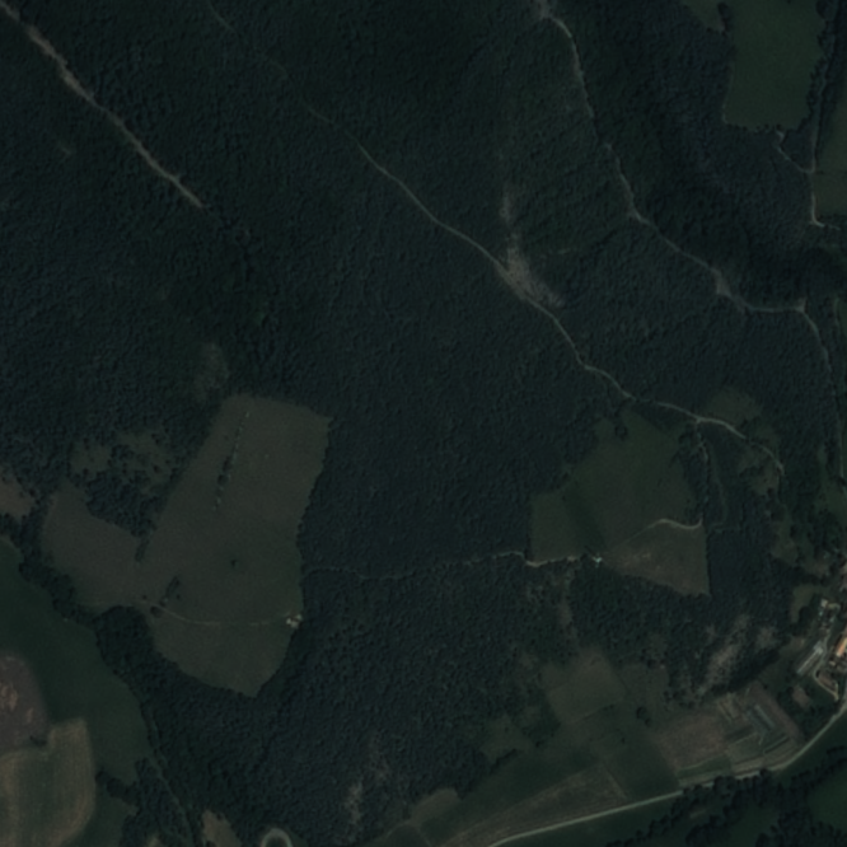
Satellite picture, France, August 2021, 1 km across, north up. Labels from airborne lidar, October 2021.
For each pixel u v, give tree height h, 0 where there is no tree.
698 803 14
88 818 0
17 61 14
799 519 8
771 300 12
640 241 11
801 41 0
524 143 8
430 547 12
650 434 0
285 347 18
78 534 0
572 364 9
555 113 9
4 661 0
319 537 9
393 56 22
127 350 10
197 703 12
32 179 9
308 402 10
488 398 11
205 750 11
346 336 9
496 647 13
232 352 15
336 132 12
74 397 10
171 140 22
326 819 8
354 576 10
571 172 8
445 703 14
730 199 12
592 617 7
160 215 20
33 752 0
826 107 13
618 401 10
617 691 0
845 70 17
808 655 0
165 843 7
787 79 0
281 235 19
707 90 12
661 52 13
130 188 21
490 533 9
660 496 0
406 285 10
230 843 0
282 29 16
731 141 14
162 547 0
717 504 8
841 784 0
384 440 10
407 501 10
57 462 9
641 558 0
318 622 11
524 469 10
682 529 0
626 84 23
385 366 12
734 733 0
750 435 8
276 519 0
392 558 12
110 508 14
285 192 17
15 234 18
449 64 18
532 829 0
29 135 13
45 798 0
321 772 7
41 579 16
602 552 0
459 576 9
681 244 11
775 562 10
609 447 0
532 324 9
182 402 8
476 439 13
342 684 13
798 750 0
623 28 23
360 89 20
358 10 15
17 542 11
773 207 6
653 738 0
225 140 13
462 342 10
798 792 22
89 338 10
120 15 24
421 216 6
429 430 13
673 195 19
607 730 0
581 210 12
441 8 16
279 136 13
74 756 0
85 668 0
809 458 13
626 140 19
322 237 16
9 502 0
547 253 7
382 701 12
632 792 0
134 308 7
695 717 0
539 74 15
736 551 10
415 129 15
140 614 10
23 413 11
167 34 20
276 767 9
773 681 0
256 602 0
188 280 13
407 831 0
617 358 13
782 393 12
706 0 0
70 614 13
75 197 15
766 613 8
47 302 12
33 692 0
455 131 12
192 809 6
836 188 0
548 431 12
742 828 0
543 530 0
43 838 0
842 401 15
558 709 0
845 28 17
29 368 10
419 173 7
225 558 0
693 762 0
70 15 20
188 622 0
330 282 12
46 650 0
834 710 12
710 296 8
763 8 0
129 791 11
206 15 18
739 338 8
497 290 6
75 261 13
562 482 7
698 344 8
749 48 0
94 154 12
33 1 28
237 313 25
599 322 7
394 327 11
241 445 0
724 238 20
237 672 0
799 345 11
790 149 10
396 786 8
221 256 20
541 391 10
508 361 8
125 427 9
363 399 11
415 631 9
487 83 19
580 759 0
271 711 12
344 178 13
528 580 11
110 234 10
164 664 15
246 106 20
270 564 0
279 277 27
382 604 9
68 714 0
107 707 0
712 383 12
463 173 14
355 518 8
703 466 7
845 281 19
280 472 0
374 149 14
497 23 11
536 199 9
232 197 22
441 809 0
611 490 0
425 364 13
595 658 0
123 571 0
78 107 19
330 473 10
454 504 11
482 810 0
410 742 9
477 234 11
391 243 12
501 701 13
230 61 17
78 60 22
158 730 6
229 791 15
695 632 6
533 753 0
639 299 10
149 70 23
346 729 8
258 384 9
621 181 13
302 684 10
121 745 0
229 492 0
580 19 15
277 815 16
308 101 10
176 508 0
